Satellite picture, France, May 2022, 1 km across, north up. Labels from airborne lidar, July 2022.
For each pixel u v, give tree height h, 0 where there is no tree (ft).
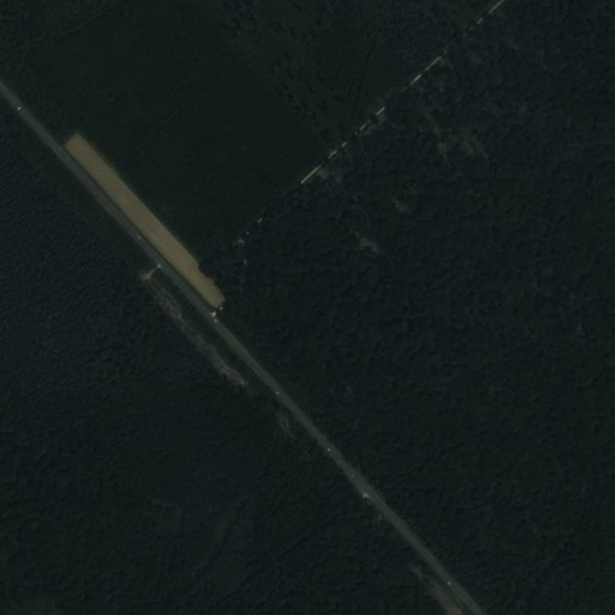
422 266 87
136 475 51
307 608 82
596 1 104
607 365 88
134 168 19
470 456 92
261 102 26
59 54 24
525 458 94
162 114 20
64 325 83
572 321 105
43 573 68
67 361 73
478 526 85
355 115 18
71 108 27
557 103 87
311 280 95
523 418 92
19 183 72
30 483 107
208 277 66
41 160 23
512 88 87
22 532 94
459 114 98
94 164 0
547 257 83
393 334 99
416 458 94
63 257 81
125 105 23
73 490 95
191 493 60
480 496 95
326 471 59
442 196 87
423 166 95
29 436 92
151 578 75
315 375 101
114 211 0
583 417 101
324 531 78
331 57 27
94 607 75
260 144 23
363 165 104
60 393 78
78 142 0
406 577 107
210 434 59
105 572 69
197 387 73
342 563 94
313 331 106
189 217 18
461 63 84
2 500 98
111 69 26
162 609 70
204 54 23
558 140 96
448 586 0
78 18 64
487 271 94
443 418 101
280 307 104
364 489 0
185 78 25
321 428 64
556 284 94
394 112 96
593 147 100
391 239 81
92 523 88
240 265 77
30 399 75
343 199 99
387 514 0
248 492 68
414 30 73
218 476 40
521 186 104
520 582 103
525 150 91
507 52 83
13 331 87
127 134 19
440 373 112
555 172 83
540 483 86
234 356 38
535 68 110
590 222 106
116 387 72
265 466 45
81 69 24
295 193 41
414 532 35
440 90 0
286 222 90
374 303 104
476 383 94
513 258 88
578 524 71
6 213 76
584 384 92
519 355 98
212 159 25
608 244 98
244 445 68
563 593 83
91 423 100
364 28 26
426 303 77
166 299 0
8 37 85
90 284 72
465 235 110
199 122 26
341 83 28
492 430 93
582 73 99
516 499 95
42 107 44
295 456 41
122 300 70
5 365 86
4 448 85
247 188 25
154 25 28
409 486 89
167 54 23
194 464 57
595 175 101
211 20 22
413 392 121
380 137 84
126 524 58
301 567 96
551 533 81
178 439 59
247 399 90
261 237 82
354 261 110
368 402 106
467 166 105
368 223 95
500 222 106
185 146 24
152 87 28
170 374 80
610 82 111
